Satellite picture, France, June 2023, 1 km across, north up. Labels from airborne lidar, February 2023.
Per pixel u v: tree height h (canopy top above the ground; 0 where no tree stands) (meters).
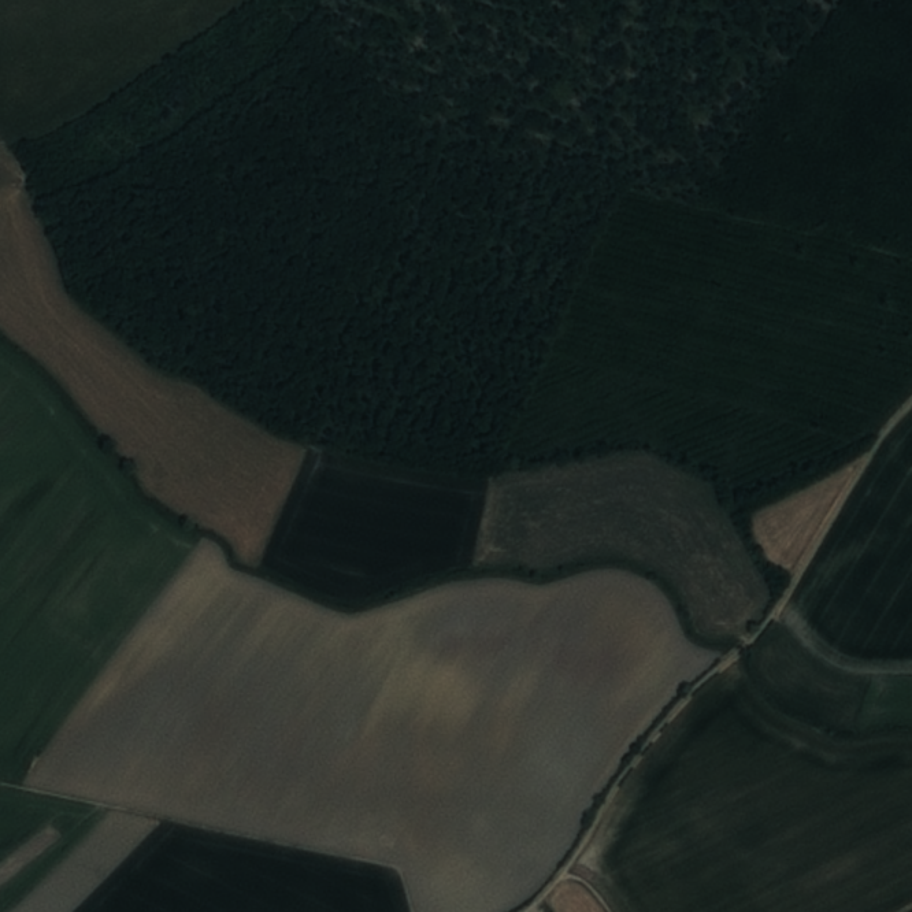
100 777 0
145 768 0
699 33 0
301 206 22
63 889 0
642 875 0
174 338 23
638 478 0
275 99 18
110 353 0
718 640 0
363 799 0
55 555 0
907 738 0
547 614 0
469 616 0
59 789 0
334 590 0
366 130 18
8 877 0
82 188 16
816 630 0
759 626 15
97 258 19
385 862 0
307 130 19
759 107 18
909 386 0
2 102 0
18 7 0
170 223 21
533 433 0
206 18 0
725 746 0
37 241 0
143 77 9
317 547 0
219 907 0
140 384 0
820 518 0
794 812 0
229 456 0
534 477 0
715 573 0
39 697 0
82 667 0
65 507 0
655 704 0
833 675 0
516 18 21
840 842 0
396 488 0
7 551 0
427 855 0
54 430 0
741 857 0
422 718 0
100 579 0
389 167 22
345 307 23
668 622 0
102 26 0
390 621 0
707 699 0
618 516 0
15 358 0
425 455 18
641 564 0
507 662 0
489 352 22
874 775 0
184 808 0
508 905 0
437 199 21
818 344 0
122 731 0
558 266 22
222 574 0
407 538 0
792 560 0
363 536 0
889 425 0
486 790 0
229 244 18
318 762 0
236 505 0
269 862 0
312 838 0
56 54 0
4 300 0
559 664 0
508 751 0
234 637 0
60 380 0
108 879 0
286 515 0
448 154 18
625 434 0
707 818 0
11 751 0
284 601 0
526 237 23
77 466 0
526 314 19
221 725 0
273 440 0
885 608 0
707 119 0
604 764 0
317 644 0
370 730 0
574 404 0
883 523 0
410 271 21
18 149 9
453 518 0
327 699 0
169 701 0
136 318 19
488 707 0
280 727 0
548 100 20
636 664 0
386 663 0
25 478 0
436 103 19
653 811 0
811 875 0
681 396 0
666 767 0
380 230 21
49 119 0
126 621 0
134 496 0
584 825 8
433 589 0
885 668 0
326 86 22
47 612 0
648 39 21
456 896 0
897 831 0
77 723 0
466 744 0
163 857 0
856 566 0
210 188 20
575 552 0
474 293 21
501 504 0
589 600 0
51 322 0
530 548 0
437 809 0
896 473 0
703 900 0
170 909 0
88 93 0
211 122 16
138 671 0
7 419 0
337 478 0
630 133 17
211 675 0
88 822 0
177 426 0
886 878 0
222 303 24
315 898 0
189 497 0
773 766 0
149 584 0
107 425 0
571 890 0
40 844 0
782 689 0
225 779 0
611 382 0
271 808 0
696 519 0
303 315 21
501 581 0
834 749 0
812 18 17
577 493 0
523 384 21
